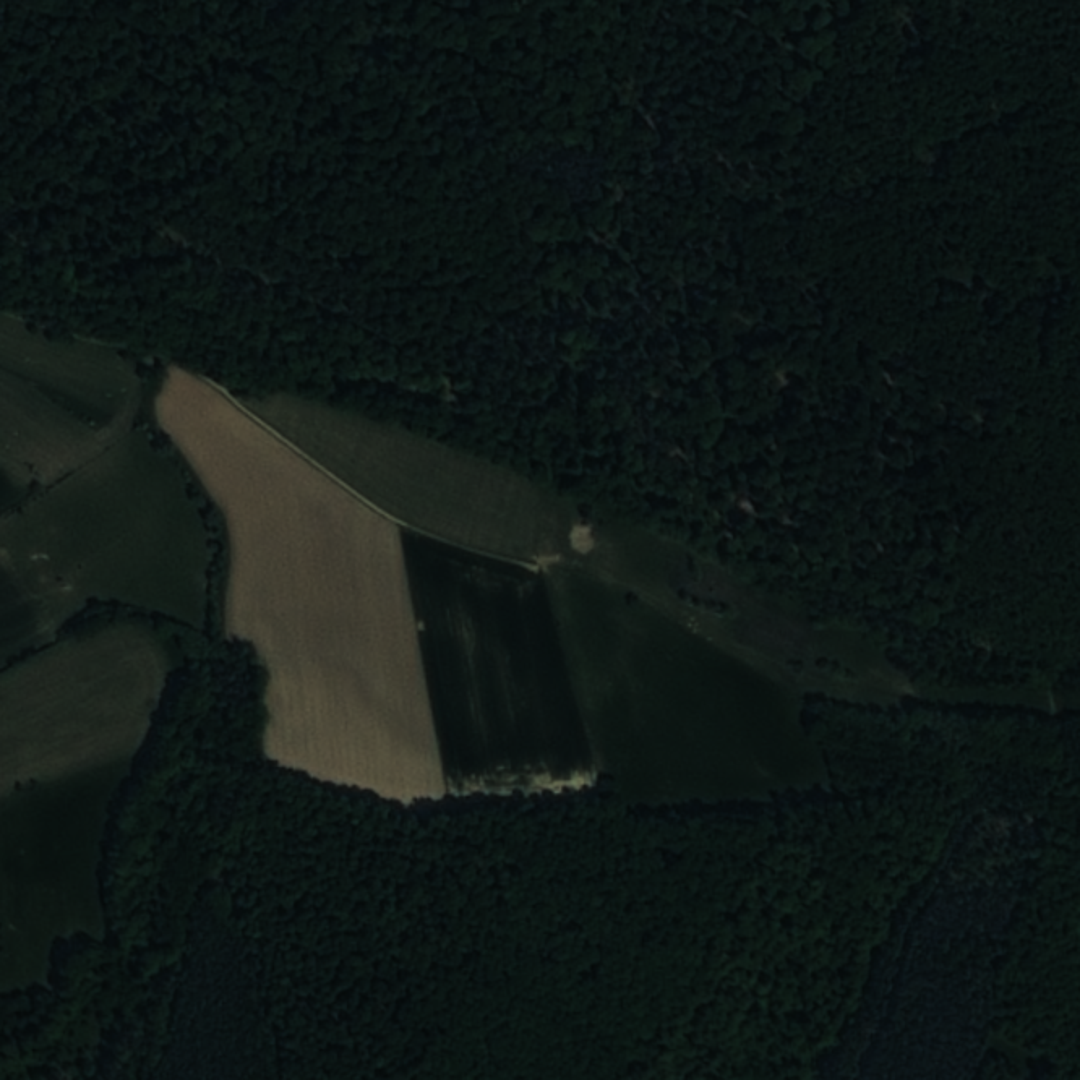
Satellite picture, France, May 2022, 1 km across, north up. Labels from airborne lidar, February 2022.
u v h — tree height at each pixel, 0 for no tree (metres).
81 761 0
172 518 0
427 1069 26
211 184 32
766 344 31
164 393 0
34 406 0
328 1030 30
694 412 33
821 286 23
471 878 30
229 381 21
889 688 0
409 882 32
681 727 0
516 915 27
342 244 27
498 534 0
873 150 24
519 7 38
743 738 0
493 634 0
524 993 27
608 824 26
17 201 28
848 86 26
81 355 0
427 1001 31
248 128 35
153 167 30
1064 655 15
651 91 36
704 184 28
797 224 26
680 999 27
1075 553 16
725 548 27
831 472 30
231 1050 14
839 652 0
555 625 0
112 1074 32
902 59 28
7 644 0
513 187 29
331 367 27
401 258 28
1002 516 13
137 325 24
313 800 25
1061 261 22
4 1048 32
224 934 16
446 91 34
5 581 0
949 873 18
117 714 0
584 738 0
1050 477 14
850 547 32
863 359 30
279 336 32
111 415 0
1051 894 30
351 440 0
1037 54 24
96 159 30
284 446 0
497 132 33
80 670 0
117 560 0
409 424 22
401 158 31
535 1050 27
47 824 0
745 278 30
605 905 28
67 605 0
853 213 25
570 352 38
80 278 30
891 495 33
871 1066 21
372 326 26
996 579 16
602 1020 25
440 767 0
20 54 33
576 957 26
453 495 0
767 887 27
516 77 38
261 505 0
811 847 31
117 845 26
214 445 0
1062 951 25
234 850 22
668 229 30
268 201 28
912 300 25
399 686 0
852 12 23
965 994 25
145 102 6
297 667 0
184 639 18
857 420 31
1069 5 26
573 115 37
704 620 0
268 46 34
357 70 29
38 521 0
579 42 36
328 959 30
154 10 32
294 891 27
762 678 0
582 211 34
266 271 31
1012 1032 22
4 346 0
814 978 32
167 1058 15
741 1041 34
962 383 25
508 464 20
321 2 33
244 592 0
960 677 17
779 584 27
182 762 33
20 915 0
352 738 0
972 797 20
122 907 26
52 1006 29
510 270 32
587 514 18
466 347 36
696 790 0
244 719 23
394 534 0
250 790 27
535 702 0
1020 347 24
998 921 21
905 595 25
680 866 28
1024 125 24
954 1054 21
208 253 29
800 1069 32
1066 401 21
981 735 26
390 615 0
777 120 31
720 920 27
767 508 28
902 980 24
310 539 0
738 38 31
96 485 0
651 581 0
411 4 35
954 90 25
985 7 25
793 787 0
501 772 0
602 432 13
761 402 31
